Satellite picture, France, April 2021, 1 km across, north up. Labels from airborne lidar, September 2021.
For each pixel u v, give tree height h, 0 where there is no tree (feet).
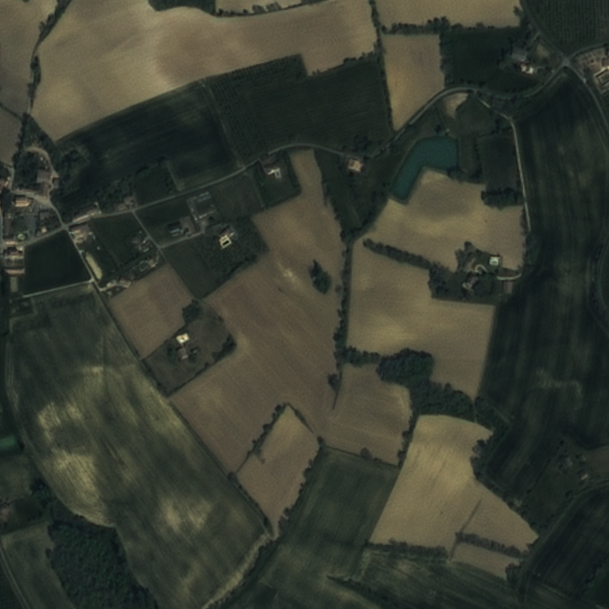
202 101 0
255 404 0
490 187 0
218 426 0
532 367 0
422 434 0
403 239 0
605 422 0
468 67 0
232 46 0
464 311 0
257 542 0
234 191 0
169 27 0
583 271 0
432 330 0
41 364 0
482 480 59
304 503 0
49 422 0
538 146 0
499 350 0
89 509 0
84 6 0
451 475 0
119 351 0
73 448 0
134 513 0
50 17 27
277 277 0
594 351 0
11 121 0
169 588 0
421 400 52
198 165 0
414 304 0
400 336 0
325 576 0
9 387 0
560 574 0
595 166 0
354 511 0
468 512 0
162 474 0
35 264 0
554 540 0
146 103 0
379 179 0
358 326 0
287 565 0
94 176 0
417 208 0
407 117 0
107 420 0
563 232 0
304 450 0
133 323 0
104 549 49
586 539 0
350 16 0
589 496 0
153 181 0
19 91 0
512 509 58
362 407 0
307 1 45
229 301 0
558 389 0
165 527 0
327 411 0
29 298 0
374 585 0
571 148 0
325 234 0
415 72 0
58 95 0
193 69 0
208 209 0
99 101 0
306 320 0
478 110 0
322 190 0
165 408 0
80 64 0
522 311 0
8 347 0
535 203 0
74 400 0
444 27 44
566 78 0
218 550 0
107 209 26
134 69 0
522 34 0
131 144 0
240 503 0
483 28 44
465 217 0
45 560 0
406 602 0
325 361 0
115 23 0
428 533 0
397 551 50
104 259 0
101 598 48
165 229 0
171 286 0
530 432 0
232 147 0
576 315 0
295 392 0
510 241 0
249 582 31
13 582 0
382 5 0
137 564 0
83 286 0
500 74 0
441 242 0
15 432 0
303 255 0
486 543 46
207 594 0
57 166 36
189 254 0
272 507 0
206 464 0
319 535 0
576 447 0
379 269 0
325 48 0
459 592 0
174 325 0
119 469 0
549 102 0
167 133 0
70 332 0
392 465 0
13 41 0
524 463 0
